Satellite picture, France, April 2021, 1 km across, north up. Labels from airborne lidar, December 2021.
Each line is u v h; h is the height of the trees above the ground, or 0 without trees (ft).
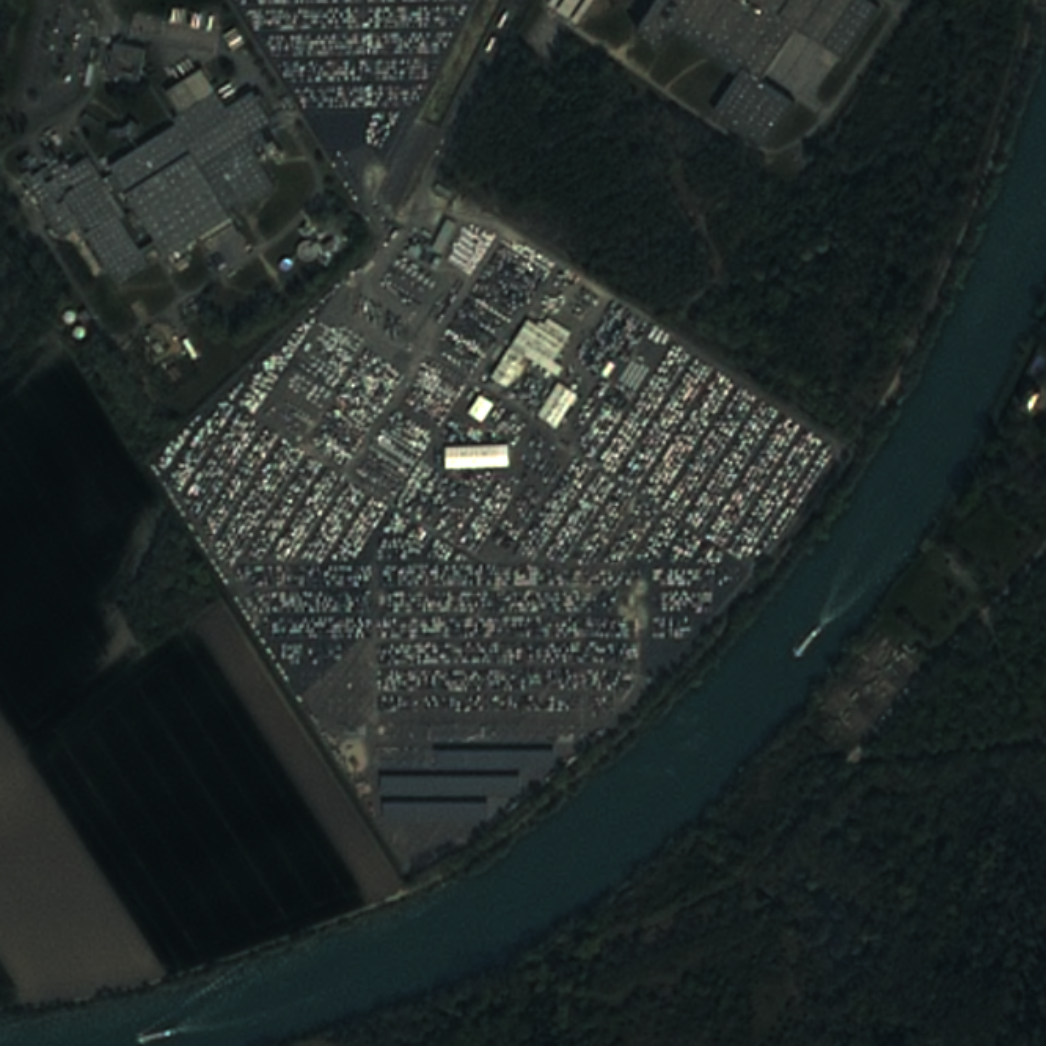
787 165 0
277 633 0
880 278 48
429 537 0
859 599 0
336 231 0
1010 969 83
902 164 66
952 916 44
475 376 0
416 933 0
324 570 0
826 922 32
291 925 0
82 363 26
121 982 0
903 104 20
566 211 59
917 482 0
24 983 0
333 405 0
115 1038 0
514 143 72
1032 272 0
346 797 0
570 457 0
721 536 0
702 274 56
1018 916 77
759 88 0
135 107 0
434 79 0
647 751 0
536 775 0
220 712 0
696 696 0
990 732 56
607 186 52
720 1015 20
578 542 0
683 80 0
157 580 71
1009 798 73
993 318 0
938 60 21
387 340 0
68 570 0
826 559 0
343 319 0
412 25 0
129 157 0
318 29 0
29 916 0
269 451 0
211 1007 0
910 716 54
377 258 0
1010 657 53
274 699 0
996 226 0
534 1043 69
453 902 0
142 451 33
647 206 52
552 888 0
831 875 61
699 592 0
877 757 47
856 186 75
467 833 0
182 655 0
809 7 0
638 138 19
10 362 53
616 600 0
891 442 0
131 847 0
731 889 18
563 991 67
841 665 23
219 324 67
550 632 0
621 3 25
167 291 0
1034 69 59
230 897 0
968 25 58
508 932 0
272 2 0
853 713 0
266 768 0
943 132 67
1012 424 64
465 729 0
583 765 36
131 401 63
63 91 0
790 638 0
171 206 0
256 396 0
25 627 0
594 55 44
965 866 66
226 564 0
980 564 29
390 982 0
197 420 0
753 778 19
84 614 0
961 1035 86
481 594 0
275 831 0
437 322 0
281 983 0
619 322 0
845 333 82
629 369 0
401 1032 42
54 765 0
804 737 19
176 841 0
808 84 0
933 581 0
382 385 0
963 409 0
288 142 0
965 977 81
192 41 0
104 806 0
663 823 0
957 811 53
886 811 44
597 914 45
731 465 0
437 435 0
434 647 0
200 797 0
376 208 0
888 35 0
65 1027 0
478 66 0
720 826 23
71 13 0
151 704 0
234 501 0
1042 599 74
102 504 0
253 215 0
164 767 0
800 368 63
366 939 0
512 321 0
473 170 48
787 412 0
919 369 28
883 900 20
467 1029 71
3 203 37
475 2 0
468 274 0
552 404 0
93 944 0
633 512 0
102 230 0
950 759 55
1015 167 0
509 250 0
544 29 0
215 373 0
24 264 22
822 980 18
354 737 0
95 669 0
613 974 62
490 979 96
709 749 0
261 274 0
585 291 0
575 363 0
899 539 0
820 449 0
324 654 0
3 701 0
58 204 0
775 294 55
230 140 0
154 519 0
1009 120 50
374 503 0
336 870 0
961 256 57
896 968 75
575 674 0
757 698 0
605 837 0
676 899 26
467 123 68
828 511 62
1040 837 72
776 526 0
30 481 0
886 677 0
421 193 0
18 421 0
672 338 0
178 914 0
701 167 66
